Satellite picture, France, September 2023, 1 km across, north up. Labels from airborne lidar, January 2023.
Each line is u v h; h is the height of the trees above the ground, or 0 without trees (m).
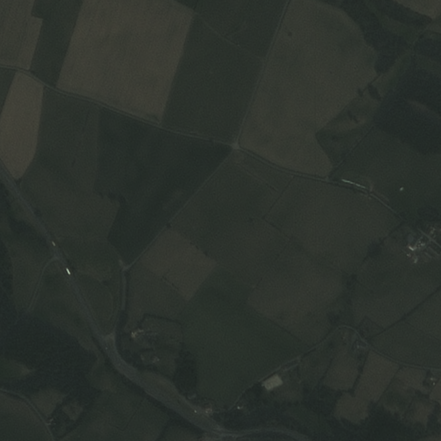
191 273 0
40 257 0
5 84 0
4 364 0
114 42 0
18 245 0
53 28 0
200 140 0
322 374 0
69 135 0
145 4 0
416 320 0
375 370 0
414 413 0
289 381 0
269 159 0
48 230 0
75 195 0
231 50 0
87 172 0
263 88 0
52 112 0
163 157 0
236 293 0
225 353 0
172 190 0
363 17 6
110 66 0
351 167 0
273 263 0
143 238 0
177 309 0
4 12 0
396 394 0
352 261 0
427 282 0
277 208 0
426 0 0
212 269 0
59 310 0
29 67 0
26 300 0
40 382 10
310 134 0
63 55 0
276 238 0
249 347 0
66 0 0
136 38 0
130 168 0
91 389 15
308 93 0
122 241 0
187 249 0
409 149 0
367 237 0
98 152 0
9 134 0
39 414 0
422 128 21
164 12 0
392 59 24
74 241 0
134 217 0
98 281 0
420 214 14
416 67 12
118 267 0
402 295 0
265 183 0
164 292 0
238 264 0
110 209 0
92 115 0
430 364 0
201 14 0
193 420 0
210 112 0
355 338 0
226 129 0
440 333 0
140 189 0
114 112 0
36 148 0
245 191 0
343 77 0
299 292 0
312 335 0
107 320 0
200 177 0
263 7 0
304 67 0
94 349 0
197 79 0
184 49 0
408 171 0
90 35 0
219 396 0
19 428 0
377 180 0
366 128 0
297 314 0
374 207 0
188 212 0
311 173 0
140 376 0
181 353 7
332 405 6
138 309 0
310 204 0
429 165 0
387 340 0
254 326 0
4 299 19
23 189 0
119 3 0
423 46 14
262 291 0
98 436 0
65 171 0
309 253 0
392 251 0
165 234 0
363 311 0
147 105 0
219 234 0
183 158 0
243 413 14
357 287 0
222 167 0
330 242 0
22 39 0
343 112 0
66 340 20
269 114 0
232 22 0
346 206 0
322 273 0
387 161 0
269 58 0
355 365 0
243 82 0
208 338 0
